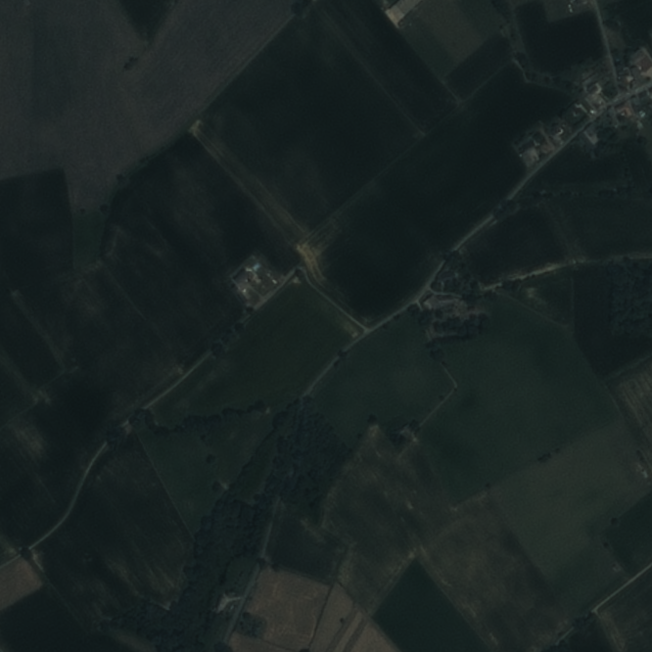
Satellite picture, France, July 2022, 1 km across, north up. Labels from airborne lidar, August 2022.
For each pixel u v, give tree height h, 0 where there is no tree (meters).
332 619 0
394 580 0
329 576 0
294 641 0
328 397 0
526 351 0
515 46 0
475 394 0
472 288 12
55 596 0
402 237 0
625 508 0
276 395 0
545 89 0
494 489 0
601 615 0
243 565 0
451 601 0
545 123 0
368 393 0
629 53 9
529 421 0
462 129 0
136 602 0
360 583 0
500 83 0
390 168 0
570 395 0
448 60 0
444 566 0
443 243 0
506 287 15
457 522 0
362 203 0
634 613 0
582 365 0
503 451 0
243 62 0
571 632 0
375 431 0
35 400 0
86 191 0
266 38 0
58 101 0
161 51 0
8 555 0
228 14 0
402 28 0
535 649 0
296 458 20
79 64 0
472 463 0
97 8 0
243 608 0
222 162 0
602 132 10
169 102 0
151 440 0
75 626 0
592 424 0
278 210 0
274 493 17
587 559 0
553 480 0
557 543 0
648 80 9
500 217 15
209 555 22
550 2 0
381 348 0
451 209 0
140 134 0
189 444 0
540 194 11
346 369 0
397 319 9
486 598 0
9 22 0
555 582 0
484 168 0
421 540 0
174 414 0
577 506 0
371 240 0
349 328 0
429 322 14
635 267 21
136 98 0
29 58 0
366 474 0
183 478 0
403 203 0
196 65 0
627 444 0
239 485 9
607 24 9
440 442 0
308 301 0
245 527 19
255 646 0
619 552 0
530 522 0
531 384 0
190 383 0
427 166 0
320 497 7
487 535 0
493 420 0
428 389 0
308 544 0
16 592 0
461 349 0
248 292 0
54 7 0
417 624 0
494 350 0
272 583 0
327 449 22
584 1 0
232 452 0
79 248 0
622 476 0
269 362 0
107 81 0
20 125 0
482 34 0
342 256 0
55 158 0
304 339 0
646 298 25
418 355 0
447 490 0
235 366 0
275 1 0
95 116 0
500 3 21
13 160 0
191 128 0
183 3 0
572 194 9
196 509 0
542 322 0
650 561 0
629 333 17
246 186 0
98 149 0
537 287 0
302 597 0
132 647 0
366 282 0
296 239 0
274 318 0
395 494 0
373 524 0
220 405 0
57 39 0
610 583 0
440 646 0
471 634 0
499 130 0
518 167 0
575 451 0
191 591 17
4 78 0
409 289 0
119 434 25
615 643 0
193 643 25
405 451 0
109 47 0
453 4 0
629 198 10
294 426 7
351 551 0
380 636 0
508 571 0
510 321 0
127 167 0
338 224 0
